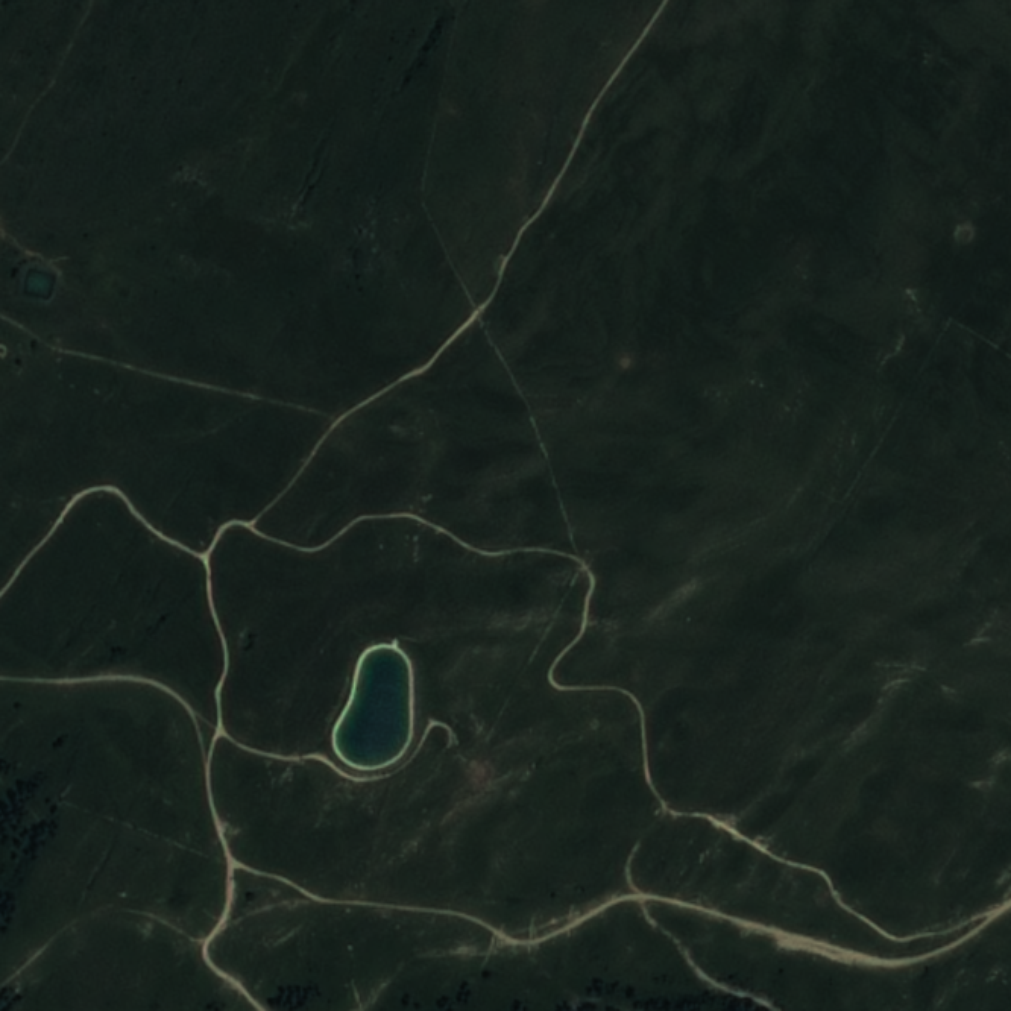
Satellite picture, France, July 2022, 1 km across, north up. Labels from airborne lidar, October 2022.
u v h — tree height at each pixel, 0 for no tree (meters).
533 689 0
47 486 0
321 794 0
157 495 0
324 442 0
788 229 0
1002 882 0
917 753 0
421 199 0
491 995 0
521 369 0
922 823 0
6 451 0
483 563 0
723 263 0
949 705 0
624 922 0
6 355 0
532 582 0
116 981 0
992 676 0
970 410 0
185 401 0
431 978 0
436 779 0
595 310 0
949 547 0
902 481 0
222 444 0
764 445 0
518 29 0
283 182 0
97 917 0
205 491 0
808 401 0
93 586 0
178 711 0
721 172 0
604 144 0
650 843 0
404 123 0
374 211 0
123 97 0
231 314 0
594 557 0
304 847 0
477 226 0
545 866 0
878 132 0
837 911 0
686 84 0
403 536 0
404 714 0
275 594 0
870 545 0
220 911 0
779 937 0
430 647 0
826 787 0
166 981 0
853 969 0
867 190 0
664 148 0
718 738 0
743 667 0
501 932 0
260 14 0
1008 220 0
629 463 0
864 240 0
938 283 0
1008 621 0
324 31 0
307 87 0
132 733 0
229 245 0
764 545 0
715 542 0
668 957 0
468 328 0
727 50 0
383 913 0
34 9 0
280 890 0
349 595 0
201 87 0
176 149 0
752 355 0
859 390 0
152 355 0
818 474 0
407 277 0
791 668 0
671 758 0
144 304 0
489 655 0
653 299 0
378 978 0
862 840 0
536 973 0
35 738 0
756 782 0
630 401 0
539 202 0
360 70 0
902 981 0
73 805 0
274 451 0
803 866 0
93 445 0
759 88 0
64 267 0
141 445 0
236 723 0
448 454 0
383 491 0
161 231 0
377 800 0
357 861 0
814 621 0
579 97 0
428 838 0
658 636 0
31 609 0
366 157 0
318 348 0
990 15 0
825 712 0
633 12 0
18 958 0
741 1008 17
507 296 0
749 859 0
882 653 0
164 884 0
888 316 0
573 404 0
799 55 0
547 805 0
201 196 0
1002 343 0
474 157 0
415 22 0
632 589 0
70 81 0
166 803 0
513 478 0
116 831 0
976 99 0
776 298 0
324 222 0
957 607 0
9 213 0
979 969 0
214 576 0
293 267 0
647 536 0
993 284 0
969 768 0
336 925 0
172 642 0
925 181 0
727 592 0
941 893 0
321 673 0
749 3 0
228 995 0
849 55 0
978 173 0
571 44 0
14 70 0
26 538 0
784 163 0
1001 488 0
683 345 0
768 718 0
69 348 0
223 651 0
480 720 0
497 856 0
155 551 0
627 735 0
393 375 0
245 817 0
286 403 0
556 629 0
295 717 0
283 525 0
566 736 0
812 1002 0
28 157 0
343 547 0
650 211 0
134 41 0
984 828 0
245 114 0
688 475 0
